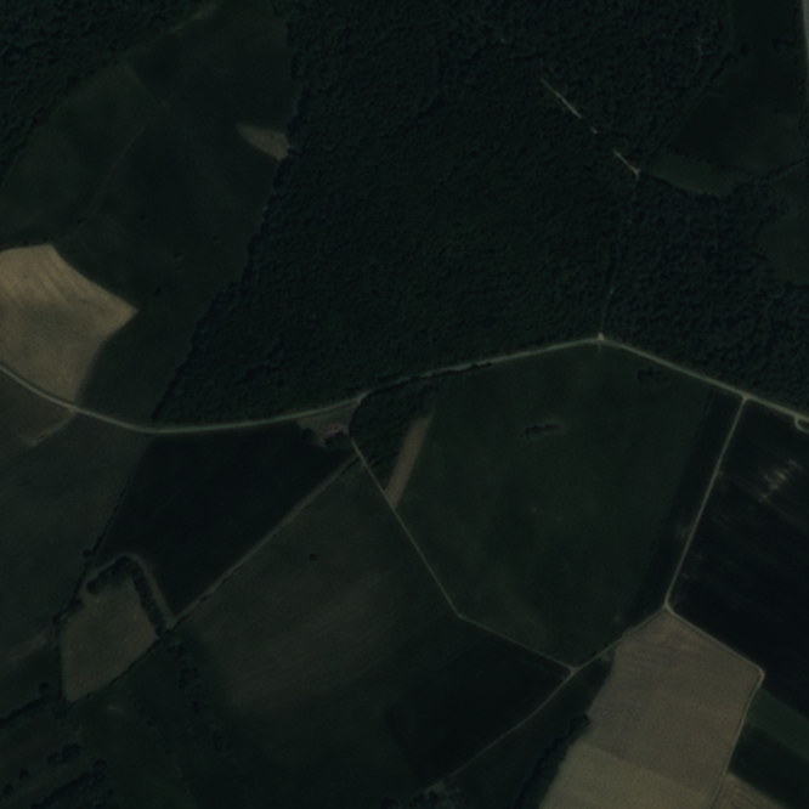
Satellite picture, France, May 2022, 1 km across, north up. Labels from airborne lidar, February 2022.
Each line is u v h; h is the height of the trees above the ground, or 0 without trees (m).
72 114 0
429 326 7
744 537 0
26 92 29
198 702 12
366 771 0
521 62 17
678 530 0
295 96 0
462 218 19
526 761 0
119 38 26
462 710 0
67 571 0
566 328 7
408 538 0
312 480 0
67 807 17
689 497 0
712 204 20
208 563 0
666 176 0
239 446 0
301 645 0
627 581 0
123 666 0
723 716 0
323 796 0
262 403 20
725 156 0
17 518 0
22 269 0
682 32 23
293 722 0
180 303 0
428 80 17
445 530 0
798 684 0
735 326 24
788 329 22
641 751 0
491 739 0
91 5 24
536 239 18
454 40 22
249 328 22
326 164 20
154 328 0
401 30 23
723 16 12
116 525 0
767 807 0
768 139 0
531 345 9
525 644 0
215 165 0
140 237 0
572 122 17
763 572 0
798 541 0
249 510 0
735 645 0
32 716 10
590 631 0
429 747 0
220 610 0
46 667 0
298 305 20
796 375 13
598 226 15
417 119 18
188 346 0
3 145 22
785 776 0
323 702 0
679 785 0
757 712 0
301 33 21
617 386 0
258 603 0
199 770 0
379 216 20
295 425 0
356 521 0
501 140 17
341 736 0
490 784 0
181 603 0
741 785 0
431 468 0
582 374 0
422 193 23
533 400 0
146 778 0
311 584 0
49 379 0
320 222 20
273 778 0
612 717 0
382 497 0
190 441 0
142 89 0
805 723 0
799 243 0
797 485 0
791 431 0
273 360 24
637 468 0
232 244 0
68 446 0
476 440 0
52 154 0
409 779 0
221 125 0
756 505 0
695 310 20
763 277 22
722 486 0
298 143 15
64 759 9
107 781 14
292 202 19
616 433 0
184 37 0
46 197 0
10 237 0
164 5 26
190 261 0
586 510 0
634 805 0
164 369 0
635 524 0
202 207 0
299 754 0
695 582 0
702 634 0
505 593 0
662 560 0
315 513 0
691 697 0
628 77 23
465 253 9
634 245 17
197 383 18
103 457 0
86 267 0
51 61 28
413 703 0
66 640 0
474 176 20
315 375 18
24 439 0
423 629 0
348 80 19
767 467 0
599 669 0
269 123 0
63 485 0
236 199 0
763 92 0
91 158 0
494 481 0
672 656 0
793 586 0
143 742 0
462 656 0
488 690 0
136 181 0
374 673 0
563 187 19
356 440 9
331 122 20
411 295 11
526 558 0
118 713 0
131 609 0
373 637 0
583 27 20
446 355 8
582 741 0
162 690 0
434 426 0
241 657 0
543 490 0
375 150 22
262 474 0
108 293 0
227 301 17
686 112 9
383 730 0
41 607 0
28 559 0
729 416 0
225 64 0
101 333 0
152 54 0
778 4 0
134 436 0
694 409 0
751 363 20
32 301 0
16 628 0
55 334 0
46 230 0
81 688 0
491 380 0
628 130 21
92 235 0
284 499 0
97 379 0
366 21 22
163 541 0
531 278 11
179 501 0
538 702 0
